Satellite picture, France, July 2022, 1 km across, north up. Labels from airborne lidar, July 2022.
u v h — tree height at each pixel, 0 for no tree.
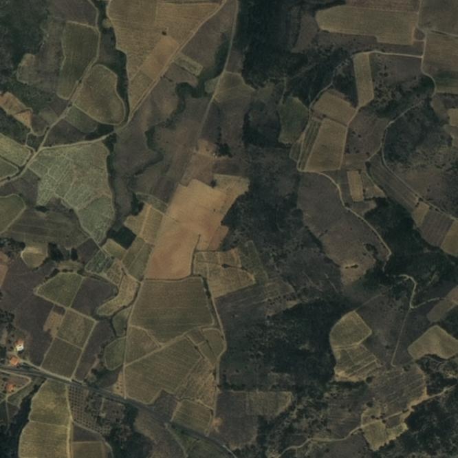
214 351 0
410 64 0
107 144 6
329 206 0
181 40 0
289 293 0
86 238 0
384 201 7
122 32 0
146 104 0
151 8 0
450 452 8
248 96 0
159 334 0
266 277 0
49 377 0
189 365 0
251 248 0
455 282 6
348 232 0
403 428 0
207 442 0
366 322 0
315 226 0
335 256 0
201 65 0
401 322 0
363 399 0
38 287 0
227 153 7
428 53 0
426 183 0
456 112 0
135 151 0
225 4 0
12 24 0
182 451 0
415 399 0
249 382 0
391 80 0
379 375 0
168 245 0
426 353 0
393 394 0
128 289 0
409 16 0
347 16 0
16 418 9
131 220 0
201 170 0
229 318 0
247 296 0
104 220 0
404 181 0
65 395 0
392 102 6
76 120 0
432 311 0
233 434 0
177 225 0
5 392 6
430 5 0
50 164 0
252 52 6
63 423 0
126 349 0
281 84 0
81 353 0
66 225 0
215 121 0
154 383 0
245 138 8
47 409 0
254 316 0
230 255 0
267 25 8
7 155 0
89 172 0
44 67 0
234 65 0
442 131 0
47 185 0
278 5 6
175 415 0
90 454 0
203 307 0
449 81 0
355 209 0
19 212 0
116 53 7
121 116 0
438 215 0
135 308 0
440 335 0
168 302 0
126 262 0
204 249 0
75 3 0
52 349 0
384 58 0
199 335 0
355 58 0
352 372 0
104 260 0
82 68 0
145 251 0
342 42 0
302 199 0
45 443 0
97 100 0
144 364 0
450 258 9
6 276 0
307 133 0
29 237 0
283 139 0
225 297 0
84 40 0
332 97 0
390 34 0
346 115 0
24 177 0
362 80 0
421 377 0
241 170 0
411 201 0
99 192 0
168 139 0
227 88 0
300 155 0
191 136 0
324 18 0
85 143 0
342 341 0
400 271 6
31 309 0
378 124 0
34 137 0
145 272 0
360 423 0
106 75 0
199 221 0
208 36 0
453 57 0
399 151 0
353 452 0
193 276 0
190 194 0
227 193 0
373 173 0
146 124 0
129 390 0
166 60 0
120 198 0
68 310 0
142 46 0
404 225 7
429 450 7
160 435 0
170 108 0
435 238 0
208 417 0
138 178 0
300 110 0
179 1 0
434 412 6
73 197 0
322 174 0
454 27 0
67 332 0
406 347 0
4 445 7
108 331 0
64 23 0
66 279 0
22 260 0
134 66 0
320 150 0
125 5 0
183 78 0
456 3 0
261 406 0
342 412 0
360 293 0
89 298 0
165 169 0
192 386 0
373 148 0
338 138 0
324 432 0
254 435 0
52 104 0
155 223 0
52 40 0
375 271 8
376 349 0
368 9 0
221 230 0
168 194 0
